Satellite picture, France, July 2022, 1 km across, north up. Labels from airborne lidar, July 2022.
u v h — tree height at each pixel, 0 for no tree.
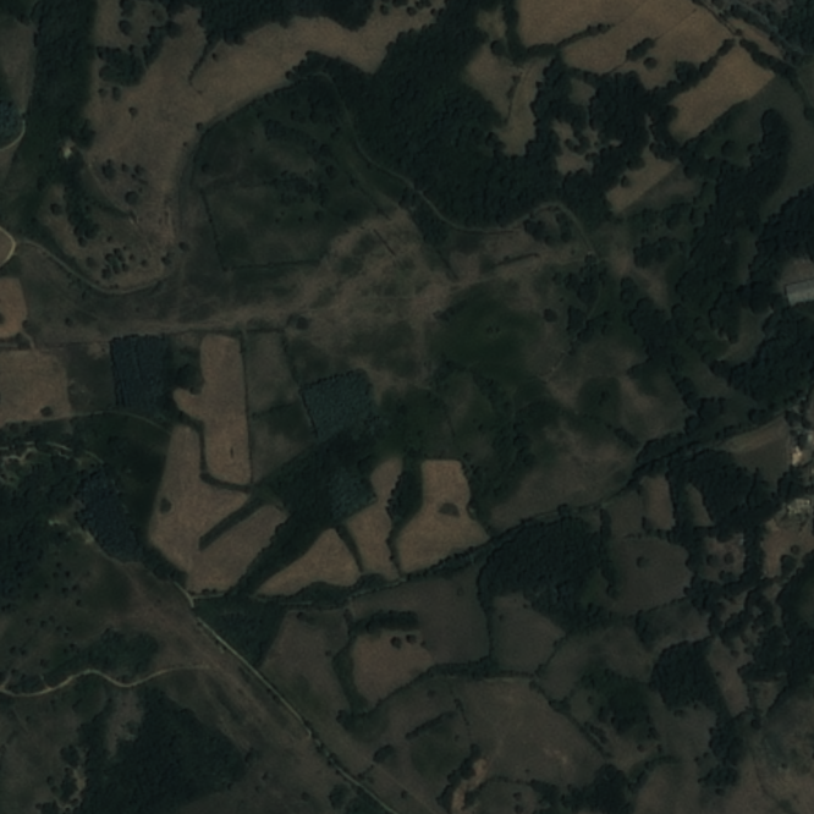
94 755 10
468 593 0
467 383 0
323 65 6
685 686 12
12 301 0
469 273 0
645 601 0
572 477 0
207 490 0
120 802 12
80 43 15
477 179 15
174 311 0
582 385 0
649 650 0
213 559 0
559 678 0
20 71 0
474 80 0
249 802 0
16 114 24
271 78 0
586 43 0
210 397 0
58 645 0
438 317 0
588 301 15
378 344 0
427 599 0
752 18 12
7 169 0
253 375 0
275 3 11
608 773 12
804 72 0
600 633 0
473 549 15
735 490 13
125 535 18
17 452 9
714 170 20
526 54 9
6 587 9
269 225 0
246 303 0
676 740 0
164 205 0
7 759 0
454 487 0
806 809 0
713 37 0
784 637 9
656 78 0
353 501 18
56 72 17
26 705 0
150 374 17
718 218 14
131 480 0
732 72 0
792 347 11
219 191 0
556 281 12
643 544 0
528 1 0
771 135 15
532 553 14
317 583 6
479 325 0
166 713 7
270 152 0
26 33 0
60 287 0
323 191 10
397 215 0
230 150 0
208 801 0
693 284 18
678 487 15
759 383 25
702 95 0
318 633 0
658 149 13
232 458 0
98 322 0
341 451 12
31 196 0
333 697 0
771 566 0
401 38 11
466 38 16
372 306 0
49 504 8
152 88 0
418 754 0
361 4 6
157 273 0
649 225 9
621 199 0
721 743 14
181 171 0
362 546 0
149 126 0
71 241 0
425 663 0
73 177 14
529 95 0
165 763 13
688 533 17
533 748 0
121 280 0
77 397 0
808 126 0
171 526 0
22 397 0
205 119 0
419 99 19
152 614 0
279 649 0
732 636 11
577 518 9
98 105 0
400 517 9
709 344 12
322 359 0
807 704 0
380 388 0
